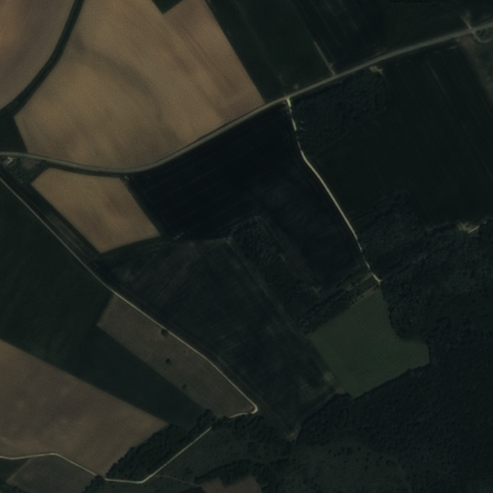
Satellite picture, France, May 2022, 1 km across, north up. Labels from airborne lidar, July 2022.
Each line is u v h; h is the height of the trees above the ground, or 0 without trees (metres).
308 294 11
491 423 13
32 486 0
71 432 0
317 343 0
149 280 0
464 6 0
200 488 8
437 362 17
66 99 0
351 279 9
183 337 0
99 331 0
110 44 0
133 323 0
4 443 0
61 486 0
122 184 0
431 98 0
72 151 0
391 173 0
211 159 0
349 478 0
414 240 20
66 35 0
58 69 0
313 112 23
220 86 0
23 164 0
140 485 0
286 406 0
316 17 0
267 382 0
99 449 0
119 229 0
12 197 0
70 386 0
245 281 0
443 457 9
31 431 0
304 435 14
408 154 0
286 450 5
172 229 0
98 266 0
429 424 10
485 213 0
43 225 0
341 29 0
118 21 0
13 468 0
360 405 13
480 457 13
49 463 0
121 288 0
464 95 0
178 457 0
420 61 0
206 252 0
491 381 14
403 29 0
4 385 0
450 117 0
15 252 0
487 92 0
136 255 0
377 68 0
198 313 0
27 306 0
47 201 0
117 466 10
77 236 0
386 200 0
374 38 0
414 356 0
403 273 19
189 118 0
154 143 0
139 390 0
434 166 0
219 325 0
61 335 0
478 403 13
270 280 7
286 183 0
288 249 0
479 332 8
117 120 0
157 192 0
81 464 0
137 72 0
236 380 0
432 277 20
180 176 0
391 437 8
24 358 0
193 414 0
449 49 0
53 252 0
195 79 0
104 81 0
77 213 0
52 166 0
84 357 0
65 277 0
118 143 0
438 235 15
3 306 0
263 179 0
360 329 0
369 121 0
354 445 0
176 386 0
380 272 13
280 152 0
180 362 0
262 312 0
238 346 0
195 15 0
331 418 12
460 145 0
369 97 22
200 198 0
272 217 0
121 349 0
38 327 0
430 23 0
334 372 0
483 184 0
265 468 10
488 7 0
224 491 0
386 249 20
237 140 0
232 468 11
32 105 0
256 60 0
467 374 14
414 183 0
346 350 0
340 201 0
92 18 0
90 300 0
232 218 0
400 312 20
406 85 0
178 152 0
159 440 9
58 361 0
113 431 0
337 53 0
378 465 6
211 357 0
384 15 0
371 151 0
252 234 21
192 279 0
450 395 14
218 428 12
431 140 0
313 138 20
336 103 20
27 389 0
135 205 0
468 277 25
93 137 0
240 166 0
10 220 0
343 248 0
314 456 0
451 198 0
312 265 0
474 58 0
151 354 0
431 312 12
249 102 0
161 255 0
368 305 0
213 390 0
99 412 0
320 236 0
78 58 0
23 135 0
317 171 0
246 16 0
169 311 0
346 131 17
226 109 0
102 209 0
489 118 0
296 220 0
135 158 0
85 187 0
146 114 0
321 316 17
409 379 15
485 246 18
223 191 0
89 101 0
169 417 0
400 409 12
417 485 10
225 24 0
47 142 0
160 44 0
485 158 0
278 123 0
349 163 0
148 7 0
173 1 0
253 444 7
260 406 0
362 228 6
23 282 0
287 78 0
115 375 0
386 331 0
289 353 0
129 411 0
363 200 0
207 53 0
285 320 0
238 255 0
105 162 0
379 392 13
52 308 0
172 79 0
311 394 0
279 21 0
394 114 0
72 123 0
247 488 0
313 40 0
